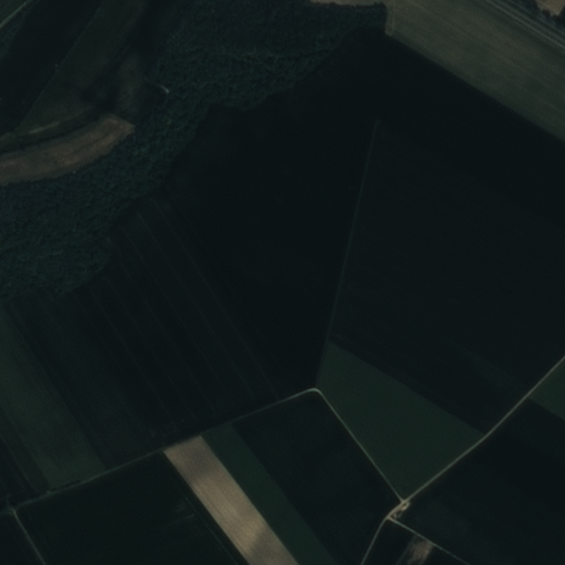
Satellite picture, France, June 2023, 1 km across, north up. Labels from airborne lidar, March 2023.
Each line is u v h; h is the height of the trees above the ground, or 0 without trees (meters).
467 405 0
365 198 0
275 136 0
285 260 0
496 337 0
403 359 0
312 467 0
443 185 0
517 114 0
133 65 0
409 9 0
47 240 15
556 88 0
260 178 0
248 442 0
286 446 0
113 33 0
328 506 0
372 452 0
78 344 0
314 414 0
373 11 12
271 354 0
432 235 0
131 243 0
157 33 0
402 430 0
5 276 11
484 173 0
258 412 0
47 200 20
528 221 0
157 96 0
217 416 0
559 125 0
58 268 14
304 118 0
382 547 0
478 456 0
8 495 0
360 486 0
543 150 0
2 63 0
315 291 0
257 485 0
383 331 0
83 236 16
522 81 0
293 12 16
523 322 0
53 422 0
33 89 0
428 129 0
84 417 0
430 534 0
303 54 22
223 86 20
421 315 0
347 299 0
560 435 0
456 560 0
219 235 0
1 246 7
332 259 0
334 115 0
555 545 0
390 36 0
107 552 0
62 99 0
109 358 0
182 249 0
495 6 0
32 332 0
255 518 0
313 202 0
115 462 0
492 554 0
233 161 0
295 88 0
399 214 0
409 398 0
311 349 0
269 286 0
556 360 0
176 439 0
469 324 0
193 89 17
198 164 0
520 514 0
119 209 11
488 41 0
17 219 20
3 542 0
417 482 0
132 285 0
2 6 0
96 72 0
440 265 0
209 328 0
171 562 0
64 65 0
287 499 0
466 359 0
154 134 13
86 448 0
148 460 0
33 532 0
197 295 0
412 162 0
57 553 0
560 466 0
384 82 0
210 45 12
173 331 0
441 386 0
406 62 0
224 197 0
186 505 0
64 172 0
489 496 0
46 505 0
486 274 0
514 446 0
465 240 0
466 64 0
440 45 0
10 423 0
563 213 0
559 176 0
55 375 0
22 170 0
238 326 0
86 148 0
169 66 18
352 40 0
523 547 0
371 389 0
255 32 18
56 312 0
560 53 0
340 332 0
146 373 0
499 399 0
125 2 0
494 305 0
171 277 0
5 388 0
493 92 0
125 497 0
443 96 0
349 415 0
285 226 0
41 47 0
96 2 0
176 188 0
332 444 0
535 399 0
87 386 0
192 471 0
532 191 0
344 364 0
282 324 0
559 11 0
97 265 19
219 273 0
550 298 0
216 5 16
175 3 0
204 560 0
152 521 0
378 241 0
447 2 0
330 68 0
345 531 0
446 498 0
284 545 0
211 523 0
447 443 0
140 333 0
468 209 0
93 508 0
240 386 0
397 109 0
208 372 0
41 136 0
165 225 0
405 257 0
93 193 19
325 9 19
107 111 0
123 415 0
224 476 0
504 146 0
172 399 0
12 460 0
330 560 0
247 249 0
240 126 0
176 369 0
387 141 0
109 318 0
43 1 0
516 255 0
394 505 0
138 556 0
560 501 0
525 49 0
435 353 0
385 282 0
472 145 0
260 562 0
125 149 10
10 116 0
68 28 0
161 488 0
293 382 0
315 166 0
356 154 0
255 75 10
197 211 0
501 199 0
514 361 0
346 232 0
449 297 0
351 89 0
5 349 0
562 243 0
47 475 0
